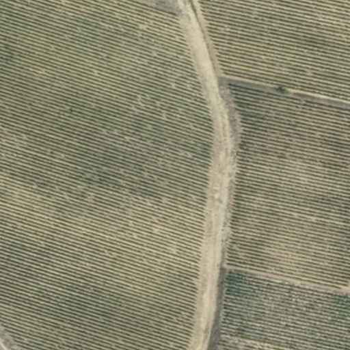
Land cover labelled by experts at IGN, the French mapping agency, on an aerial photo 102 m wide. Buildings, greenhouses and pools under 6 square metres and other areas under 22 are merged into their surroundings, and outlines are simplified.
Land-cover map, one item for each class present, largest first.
<instances>
[{"label":"vineyard","instance_id":"1","mask_svg":"<svg viewBox=\"0 0 350 350\"><path fill-rule=\"evenodd\" d=\"M182 11L179 7H170L164 0H0V350H186L189 347L196 312L197 287L193 280L198 278L200 273L198 262L201 260L200 247L204 238L205 191L208 187V172L211 165L213 120L209 115L208 101L202 97L201 82L198 81V75L191 63L189 45L179 25V15ZM191 11L196 16L208 49L221 100L228 111L231 138L235 144L231 152L232 157L238 160L237 178L230 180L228 185V204L223 223L224 227L231 228V237L221 239L216 310L211 339L206 350H350V294L328 293L286 282L276 283L269 279L276 275L334 288L349 286L350 282V0H189Z\"/></svg>","mask_w":350,"mask_h":350},{"label":"herbaceous vegetation","instance_id":"2","mask_svg":"<svg viewBox=\"0 0 350 350\"><path fill-rule=\"evenodd\" d=\"M170 7H179L182 11L179 15V25L189 45L191 63L198 75V81L201 82L202 97L208 101L209 115L213 120L211 165L208 172V187L205 191L204 238L200 247L201 260L198 262L200 273L198 278L193 280L197 287L196 312L189 347L186 350H206L211 339L216 310L221 239L231 237V228L224 227L223 223L228 204V185L230 180L237 178L238 160L232 157L231 152L235 144L231 138L228 111L221 100L208 49L196 16L191 11L189 0H164ZM276 283L286 282L328 293L350 294V282L349 286L334 288L276 275L269 279Z\"/></svg>","mask_w":350,"mask_h":350}]
</instances>
